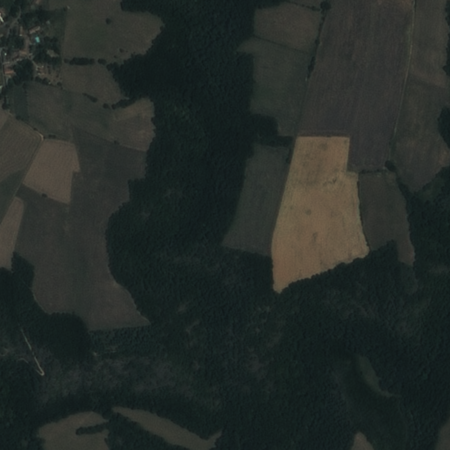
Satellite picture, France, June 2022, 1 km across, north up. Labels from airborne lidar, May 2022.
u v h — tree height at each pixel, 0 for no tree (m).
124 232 13
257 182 0
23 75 16
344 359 7
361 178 0
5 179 0
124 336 11
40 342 9
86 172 0
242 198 0
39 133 0
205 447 0
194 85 18
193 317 16
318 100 0
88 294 0
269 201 0
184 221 17
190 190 25
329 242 0
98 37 0
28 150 0
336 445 6
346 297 7
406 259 0
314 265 0
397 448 6
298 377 17
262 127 9
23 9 11
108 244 9
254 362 11
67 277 0
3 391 20
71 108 0
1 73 0
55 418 27
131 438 16
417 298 10
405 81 0
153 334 14
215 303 20
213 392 11
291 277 0
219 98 17
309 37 0
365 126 0
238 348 8
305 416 24
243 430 18
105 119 0
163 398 9
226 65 16
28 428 20
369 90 0
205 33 7
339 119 0
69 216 0
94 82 0
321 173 0
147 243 17
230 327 8
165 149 17
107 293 0
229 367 11
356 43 0
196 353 8
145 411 20
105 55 0
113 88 0
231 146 17
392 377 19
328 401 9
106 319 0
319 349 26
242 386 8
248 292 13
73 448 0
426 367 20
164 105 18
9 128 0
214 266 7
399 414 8
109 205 0
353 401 7
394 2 0
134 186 15
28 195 0
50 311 0
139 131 0
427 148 0
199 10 13
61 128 0
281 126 0
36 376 9
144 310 11
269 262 14
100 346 13
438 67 0
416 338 10
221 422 17
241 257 8
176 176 19
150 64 14
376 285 10
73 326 13
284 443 27
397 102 0
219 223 13
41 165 0
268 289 16
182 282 22
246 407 10
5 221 0
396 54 0
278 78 0
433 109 0
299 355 18
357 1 0
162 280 17
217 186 6
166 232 18
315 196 0
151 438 14
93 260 0
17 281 10
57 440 0
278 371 14
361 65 0
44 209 0
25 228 0
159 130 12
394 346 25
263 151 0
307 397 20
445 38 0
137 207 8
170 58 20
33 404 11
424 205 13
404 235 0
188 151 15
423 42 0
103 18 0
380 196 0
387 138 0
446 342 19
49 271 0
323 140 0
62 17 0
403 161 0
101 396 10
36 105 0
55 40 11
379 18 0
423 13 0
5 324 7
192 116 17
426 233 25
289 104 0
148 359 6
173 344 10
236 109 13
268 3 6
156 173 17
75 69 0
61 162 0
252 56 8
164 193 12
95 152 0
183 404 15
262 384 12
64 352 8
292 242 0
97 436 0
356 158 0
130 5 20
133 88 13
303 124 0
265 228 0
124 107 13
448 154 0
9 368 12
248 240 0
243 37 17
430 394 12
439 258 12
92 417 0
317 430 19
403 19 0
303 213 0
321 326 25
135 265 10
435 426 7
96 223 0
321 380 19
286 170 0
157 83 11
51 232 0
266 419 14
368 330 23
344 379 6
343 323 19
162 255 6
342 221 0
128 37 0
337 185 0
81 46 0
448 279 11
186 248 14
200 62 15
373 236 0
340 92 0
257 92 0
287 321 13
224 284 8
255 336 9
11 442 20
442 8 0
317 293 14
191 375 10
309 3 0
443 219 15
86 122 0
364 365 0
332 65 0
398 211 0
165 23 9
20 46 7
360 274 23
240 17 15
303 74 0
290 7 0
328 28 0
